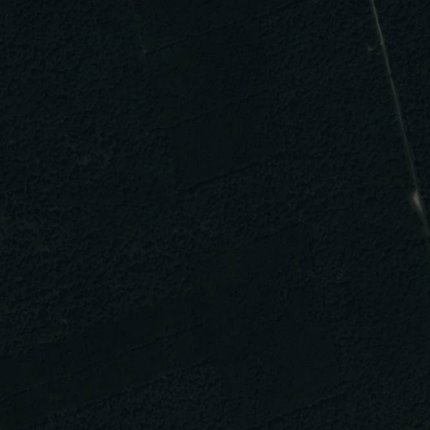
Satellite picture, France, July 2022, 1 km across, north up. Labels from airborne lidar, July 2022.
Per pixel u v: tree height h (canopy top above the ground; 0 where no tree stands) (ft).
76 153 51
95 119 85
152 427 68
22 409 35
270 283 51
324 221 81
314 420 86
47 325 80
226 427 94
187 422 87
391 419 75
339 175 90
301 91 75
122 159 90
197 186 65
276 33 64
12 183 81
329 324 36
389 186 69
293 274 41
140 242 80
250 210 84
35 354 37
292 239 40
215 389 88
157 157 75
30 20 87
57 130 72
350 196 74
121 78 75
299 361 44
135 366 35
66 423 79
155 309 31
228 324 48
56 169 81
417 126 80
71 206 72
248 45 55
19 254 82
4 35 93
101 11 98
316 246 61
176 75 43
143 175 71
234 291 37
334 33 67
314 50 98
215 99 49
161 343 32
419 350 68
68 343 35
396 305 66
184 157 37
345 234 81
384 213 82
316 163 96
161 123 42
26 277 56
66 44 84
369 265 96
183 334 25
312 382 41
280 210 74
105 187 81
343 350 80
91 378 32
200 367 80
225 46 55
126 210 78
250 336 44
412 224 79
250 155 36
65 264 76
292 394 43
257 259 43
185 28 35
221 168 34
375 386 66
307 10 77
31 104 70
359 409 71
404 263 81
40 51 76
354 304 103
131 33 71
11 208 49
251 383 44
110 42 80
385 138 92
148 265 71
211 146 36
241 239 76
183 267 82
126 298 79
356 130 63
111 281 68
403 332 94
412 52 30
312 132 70
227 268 43
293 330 42
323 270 49
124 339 35
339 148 87
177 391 61
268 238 45
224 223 79
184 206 87
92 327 34
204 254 76
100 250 46
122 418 80
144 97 73
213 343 33
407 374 51
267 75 54
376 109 74
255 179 86
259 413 68
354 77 81
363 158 70
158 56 47
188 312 31
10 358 33
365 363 90
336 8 78
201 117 32
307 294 45
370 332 84
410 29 75
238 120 37
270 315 53
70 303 87
